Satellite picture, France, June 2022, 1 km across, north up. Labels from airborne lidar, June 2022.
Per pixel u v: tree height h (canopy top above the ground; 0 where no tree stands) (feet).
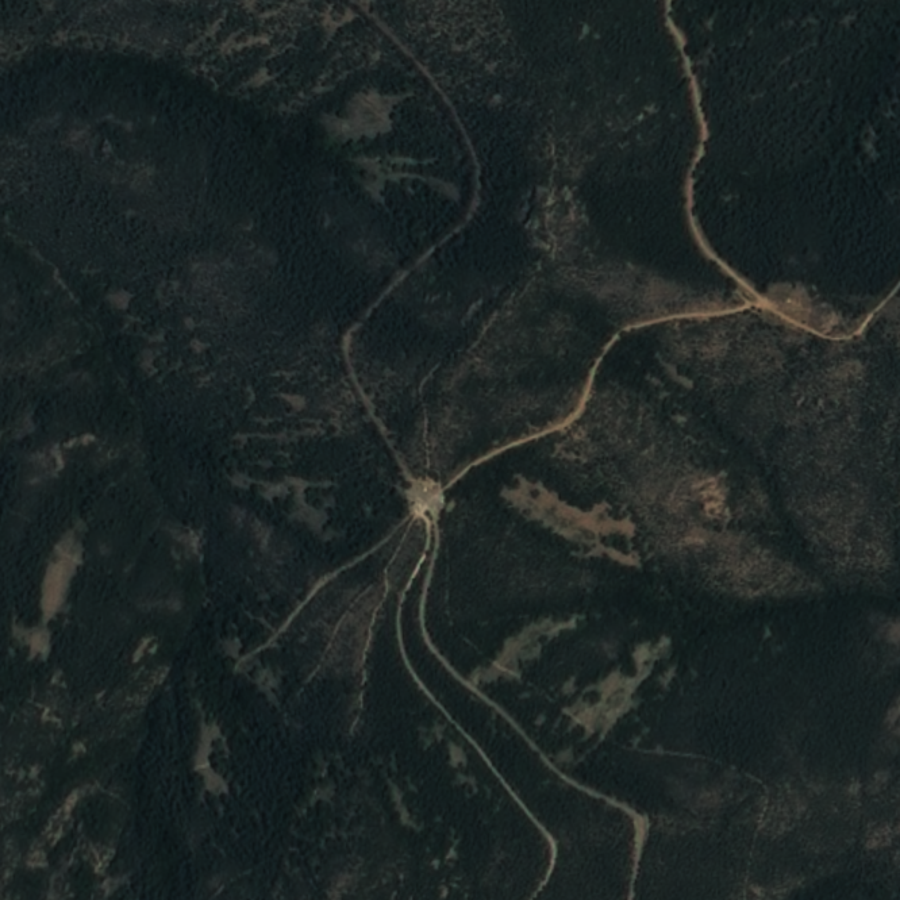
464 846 23
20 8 42
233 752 22
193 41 24
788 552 20
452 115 43
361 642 0
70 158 33
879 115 35
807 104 37
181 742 34
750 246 30
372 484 30
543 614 24
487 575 30
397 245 35
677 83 22
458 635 28
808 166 26
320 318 30
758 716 22
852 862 31
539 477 26
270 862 27
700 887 23
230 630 27
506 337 0
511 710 27
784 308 0
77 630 31
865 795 21
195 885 39
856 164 25
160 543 36
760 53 34
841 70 22
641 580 24
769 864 22
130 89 28
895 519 20
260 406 23
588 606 29
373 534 34
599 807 20
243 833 39
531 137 27
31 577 37
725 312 0
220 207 26
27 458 0
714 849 29
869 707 20
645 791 25
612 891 27
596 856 20
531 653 0
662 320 0
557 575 24
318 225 43
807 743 22
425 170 33
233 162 42
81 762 23
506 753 29
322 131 20
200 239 29
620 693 0
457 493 32
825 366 21
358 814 26
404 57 31
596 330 30
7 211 21
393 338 26
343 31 34
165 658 25
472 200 52
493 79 20
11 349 26
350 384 39
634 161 35
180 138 42
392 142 41
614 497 21
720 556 0
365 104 0
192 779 33
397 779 24
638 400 23
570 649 21
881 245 40
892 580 21
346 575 26
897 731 0
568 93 29
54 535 30
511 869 20
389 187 23
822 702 23
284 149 23
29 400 35
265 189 35
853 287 26
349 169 37
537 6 28
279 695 35
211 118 58
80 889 21
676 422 33
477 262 44
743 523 36
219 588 20
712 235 24
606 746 31
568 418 0
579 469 21
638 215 35
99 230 33
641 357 26
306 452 21
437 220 36
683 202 22
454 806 24
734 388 25
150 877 32
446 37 21
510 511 41
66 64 40
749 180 35
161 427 18
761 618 17
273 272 22
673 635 22
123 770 41
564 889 20
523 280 23
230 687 22
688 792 0
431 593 25
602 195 40
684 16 36
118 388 26
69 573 0
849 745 19
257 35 29
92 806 31
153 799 36
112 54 20
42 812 19
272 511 38
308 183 34
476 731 32
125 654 31
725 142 38
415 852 19
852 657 20
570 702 19
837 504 0
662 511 0
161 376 24
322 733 30
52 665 35
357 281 33
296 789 25
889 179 27
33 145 25
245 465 20
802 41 41
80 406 35
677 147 39
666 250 26
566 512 0
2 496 31
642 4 20
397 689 26
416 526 0
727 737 20
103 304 19
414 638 22
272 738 30
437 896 24
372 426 25
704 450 27
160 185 23
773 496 25
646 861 30
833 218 19
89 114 40
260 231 29
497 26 19
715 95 33
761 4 27
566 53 32
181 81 25
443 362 24
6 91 41
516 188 24
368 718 22
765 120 32
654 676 19
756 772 21
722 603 28
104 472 18
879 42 41
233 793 31
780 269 37
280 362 24
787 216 36
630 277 0
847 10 25
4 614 32
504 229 35
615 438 0
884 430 25
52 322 39
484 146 40
